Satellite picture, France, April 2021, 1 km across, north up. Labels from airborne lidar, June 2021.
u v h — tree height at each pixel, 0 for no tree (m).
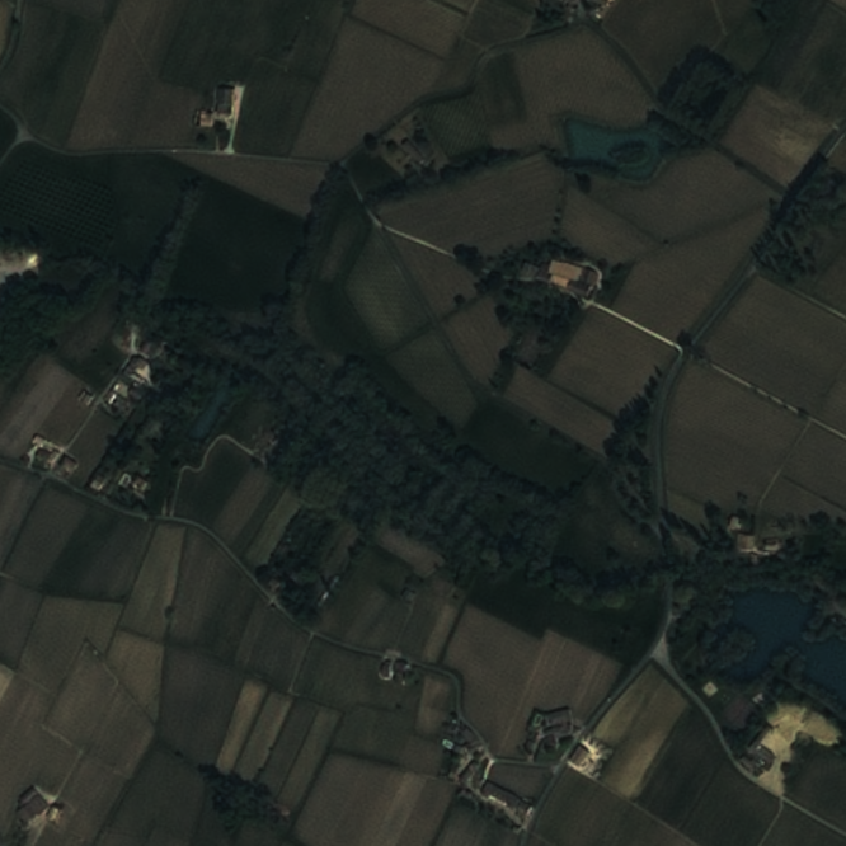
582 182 14
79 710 0
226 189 0
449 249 0
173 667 0
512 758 0
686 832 0
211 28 0
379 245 0
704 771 0
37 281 16
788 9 14
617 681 0
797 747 0
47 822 0
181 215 14
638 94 0
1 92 0
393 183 0
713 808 0
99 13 0
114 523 0
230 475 0
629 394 0
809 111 0
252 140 0
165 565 0
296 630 0
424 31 0
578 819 0
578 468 0
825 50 0
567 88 0
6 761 0
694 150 14
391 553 0
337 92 0
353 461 25
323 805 0
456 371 0
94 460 0
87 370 0
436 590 0
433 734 0
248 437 0
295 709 0
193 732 0
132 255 0
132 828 0
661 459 0
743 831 0
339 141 0
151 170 0
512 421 0
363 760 0
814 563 13
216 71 0
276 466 21
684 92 29
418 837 0
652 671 0
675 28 0
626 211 0
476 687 0
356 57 0
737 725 0
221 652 0
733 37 0
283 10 0
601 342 0
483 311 0
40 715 0
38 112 0
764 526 0
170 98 0
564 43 0
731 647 15
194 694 0
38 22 0
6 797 0
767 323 0
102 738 0
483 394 0
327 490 34
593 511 0
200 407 16
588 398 0
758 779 0
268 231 0
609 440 0
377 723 0
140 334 12
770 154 0
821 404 0
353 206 0
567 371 0
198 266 0
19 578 0
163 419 19
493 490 18
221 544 0
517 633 0
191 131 0
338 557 0
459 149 0
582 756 0
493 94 0
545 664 0
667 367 0
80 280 0
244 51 0
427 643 0
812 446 0
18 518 0
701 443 0
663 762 0
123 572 0
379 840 0
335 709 0
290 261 0
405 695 0
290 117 0
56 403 0
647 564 0
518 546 23
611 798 0
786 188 0
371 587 0
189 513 0
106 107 0
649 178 0
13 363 19
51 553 0
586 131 0
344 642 0
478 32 0
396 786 0
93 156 0
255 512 0
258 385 23
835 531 18
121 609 0
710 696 0
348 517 26
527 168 0
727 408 0
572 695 0
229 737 0
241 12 0
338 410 16
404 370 0
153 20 0
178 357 7
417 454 14
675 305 0
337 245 0
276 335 18
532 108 0
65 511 0
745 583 16
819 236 16
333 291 0
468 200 0
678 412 0
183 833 0
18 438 0
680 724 0
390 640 0
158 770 0
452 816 0
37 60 0
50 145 0
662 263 0
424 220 0
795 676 18
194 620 0
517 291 6
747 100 0
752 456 0
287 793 0
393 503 25
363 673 0
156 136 0
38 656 0
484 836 0
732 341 0
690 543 0
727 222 0
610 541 0
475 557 24
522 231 0
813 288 0
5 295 18
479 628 0
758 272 0
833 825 0
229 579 0
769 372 0
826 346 0
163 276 23
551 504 25
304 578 13
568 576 24
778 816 0
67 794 0
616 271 8
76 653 0
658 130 14
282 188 0
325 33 0
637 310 0
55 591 0
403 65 0
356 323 0
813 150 0
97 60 0
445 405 0
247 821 15
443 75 0
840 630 16
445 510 20
